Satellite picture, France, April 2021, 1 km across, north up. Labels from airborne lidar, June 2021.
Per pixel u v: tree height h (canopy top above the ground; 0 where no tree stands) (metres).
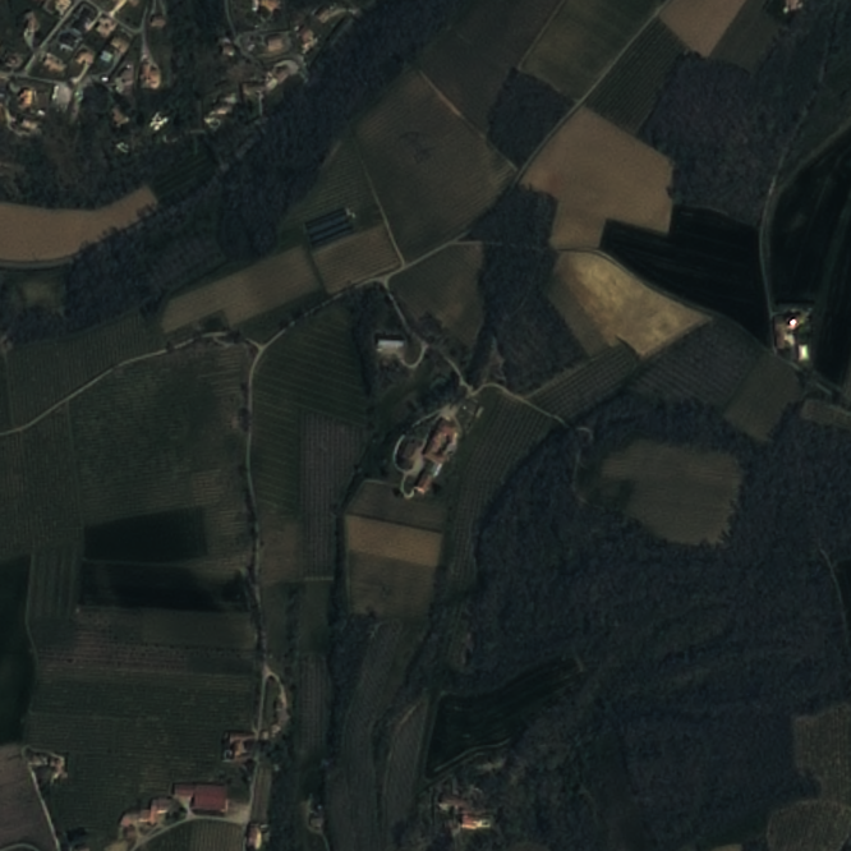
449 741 0
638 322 0
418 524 0
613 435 16
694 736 22
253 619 11
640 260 0
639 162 0
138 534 0
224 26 15
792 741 20
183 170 6
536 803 25
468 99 0
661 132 17
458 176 0
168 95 15
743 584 23
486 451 5
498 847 11
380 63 17
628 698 21
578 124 0
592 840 18
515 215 20
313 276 0
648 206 0
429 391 0
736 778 21
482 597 17
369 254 0
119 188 19
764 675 25
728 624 15
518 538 20
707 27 0
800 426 15
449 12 19
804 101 15
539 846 6
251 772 9
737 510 17
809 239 0
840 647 16
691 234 0
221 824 0
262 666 11
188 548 0
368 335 13
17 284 0
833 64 17
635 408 19
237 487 0
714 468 0
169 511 0
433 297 0
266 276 0
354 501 0
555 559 6
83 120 14
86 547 0
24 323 14
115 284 19
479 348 8
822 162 0
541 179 0
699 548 7
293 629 11
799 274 0
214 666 0
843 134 0
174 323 0
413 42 20
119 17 0
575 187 0
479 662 18
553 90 13
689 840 12
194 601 0
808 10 12
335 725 10
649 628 14
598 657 10
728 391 6
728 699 14
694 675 14
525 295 19
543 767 30
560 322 15
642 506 0
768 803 18
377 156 0
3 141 17
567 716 20
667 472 0
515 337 17
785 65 13
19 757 0
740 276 0
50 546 0
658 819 18
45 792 8
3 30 0
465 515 7
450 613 15
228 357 0
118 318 11
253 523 14
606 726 18
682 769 16
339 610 11
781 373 0
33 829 0
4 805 0
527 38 0
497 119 15
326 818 6
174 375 0
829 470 16
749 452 20
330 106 26
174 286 9
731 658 8
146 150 12
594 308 0
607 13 0
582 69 0
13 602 0
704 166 15
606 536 24
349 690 10
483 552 21
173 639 0
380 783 11
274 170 22
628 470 0
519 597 23
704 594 20
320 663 7
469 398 11
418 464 0
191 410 0
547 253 21
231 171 21
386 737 14
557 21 0
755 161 17
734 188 15
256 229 28
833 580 12
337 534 7
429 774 0
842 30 19
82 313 17
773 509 17
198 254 8
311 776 0
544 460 13
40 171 15
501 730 0
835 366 0
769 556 17
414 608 0
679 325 0
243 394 8
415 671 14
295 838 21
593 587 15
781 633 20
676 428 21
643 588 16
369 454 0
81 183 16
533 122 17
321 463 7
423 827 13
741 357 8
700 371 10
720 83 17
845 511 18
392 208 0
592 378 6
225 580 0
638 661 19
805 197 0
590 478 0
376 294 11
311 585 0
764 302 0
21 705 0
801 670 21
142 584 0
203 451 0
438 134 0
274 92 0
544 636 18
